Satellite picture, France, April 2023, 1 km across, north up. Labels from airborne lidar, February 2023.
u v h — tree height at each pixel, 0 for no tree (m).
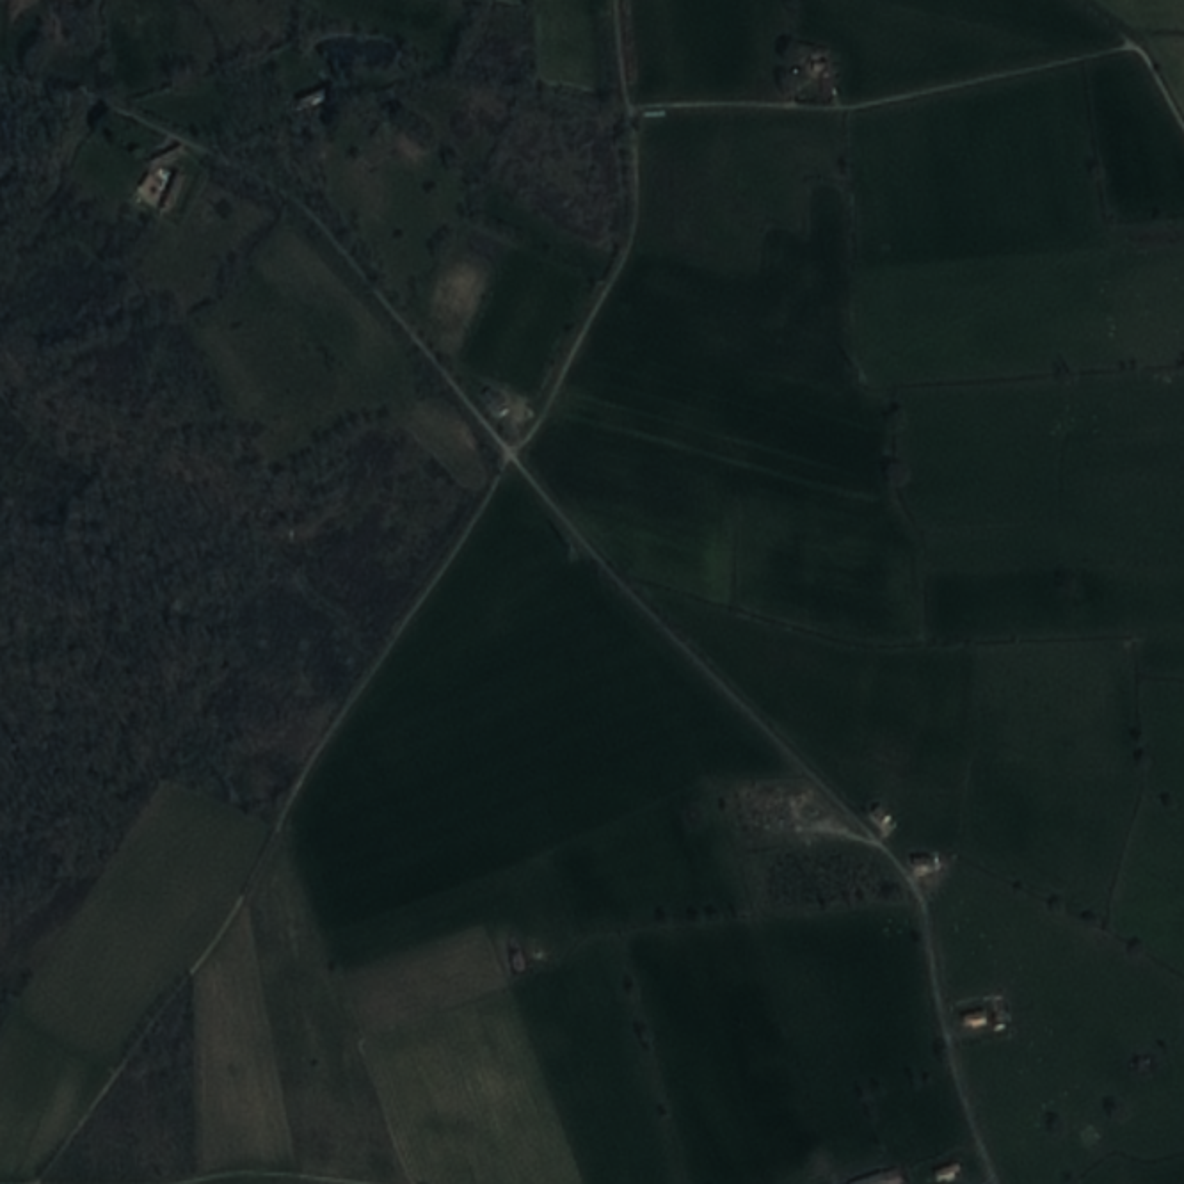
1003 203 0
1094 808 0
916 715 0
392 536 0
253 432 0
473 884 0
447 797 0
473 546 0
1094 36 0
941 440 0
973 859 0
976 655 0
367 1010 0
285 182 21
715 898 0
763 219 0
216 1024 0
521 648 0
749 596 0
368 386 0
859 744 0
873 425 0
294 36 10
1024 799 0
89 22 20
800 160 0
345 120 16
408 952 0
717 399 0
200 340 0
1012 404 0
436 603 0
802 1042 0
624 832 0
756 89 0
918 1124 0
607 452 0
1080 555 0
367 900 0
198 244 0
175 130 7
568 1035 0
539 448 0
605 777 0
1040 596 0
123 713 7
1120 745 0
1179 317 0
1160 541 0
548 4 0
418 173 0
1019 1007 0
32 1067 0
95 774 15
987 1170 0
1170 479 0
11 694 18
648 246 0
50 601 20
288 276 0
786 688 0
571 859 0
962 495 0
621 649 0
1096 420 0
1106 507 0
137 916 0
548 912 0
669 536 0
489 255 0
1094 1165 0
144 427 15
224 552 20
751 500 0
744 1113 0
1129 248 0
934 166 0
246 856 0
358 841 0
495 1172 0
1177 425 0
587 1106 0
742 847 0
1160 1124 0
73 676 16
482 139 0
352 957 0
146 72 0
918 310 0
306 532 11
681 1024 0
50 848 11
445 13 0
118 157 0
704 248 0
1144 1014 0
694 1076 0
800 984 0
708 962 0
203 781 11
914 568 0
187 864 0
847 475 0
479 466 0
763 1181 0
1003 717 0
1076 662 0
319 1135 0
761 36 0
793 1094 0
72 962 0
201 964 0
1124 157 0
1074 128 0
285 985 0
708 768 0
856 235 0
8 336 20
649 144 0
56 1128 0
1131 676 0
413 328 7
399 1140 0
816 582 0
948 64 0
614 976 0
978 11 0
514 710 0
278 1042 0
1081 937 0
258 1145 0
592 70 0
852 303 0
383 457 0
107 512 14
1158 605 0
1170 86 0
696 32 0
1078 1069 0
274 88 21
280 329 0
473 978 0
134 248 13
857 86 0
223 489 15
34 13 0
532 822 0
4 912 16
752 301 0
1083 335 0
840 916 0
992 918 0
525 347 0
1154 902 0
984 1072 0
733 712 0
